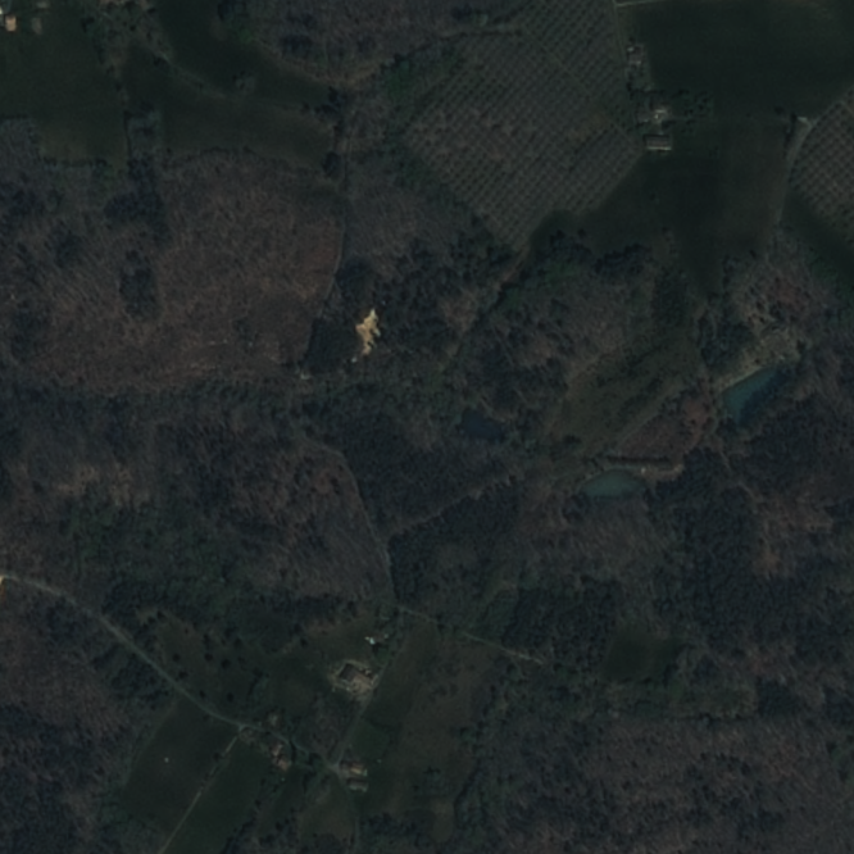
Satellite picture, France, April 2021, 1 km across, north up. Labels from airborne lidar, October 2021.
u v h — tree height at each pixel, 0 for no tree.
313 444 25
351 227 17
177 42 0
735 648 25
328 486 8
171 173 16
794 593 15
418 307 13
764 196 0
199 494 13
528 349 17
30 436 19
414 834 15
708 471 26
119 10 13
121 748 15
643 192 0
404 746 0
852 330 20
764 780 14
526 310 13
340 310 12
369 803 0
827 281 18
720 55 0
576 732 14
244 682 0
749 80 0
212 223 13
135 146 11
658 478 0
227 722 0
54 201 17
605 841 12
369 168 14
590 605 12
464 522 22
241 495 7
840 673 12
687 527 16
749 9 0
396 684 0
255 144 0
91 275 15
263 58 0
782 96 0
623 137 8
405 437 19
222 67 0
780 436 11
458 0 11
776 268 16
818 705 14
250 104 0
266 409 12
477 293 20
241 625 7
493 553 18
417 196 15
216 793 0
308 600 8
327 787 12
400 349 16
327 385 9
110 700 7
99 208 16
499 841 17
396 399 16
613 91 9
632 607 18
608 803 10
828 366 16
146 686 12
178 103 0
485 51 9
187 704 0
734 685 18
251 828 9
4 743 13
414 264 9
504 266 17
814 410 13
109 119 0
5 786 24
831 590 17
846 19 0
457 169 7
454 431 13
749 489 13
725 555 27
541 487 22
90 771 17
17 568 14
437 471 21
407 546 22
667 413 7
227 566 12
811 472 12
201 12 0
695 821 16
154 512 18
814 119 0
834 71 0
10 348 9
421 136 10
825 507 13
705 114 6
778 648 23
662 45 0
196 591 20
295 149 0
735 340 26
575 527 23
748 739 13
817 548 16
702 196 0
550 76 7
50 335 8
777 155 0
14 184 14
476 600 13
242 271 17
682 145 0
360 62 16
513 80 9
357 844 13
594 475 7
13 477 11
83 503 10
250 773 0
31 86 0
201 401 16
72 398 8
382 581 13
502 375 17
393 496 16
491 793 25
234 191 7
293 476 9
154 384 10
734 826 14
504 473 21
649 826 15
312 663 0
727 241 0
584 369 15
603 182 10
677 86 0
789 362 17
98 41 14
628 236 0
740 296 14
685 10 0
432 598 17
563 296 14
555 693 12
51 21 0
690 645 10
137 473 18
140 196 13
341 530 16
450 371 15
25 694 6
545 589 16
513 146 10
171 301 13
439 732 0
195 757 0
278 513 8
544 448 7
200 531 11
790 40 0
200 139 0
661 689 10
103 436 12
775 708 17
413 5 10
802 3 0
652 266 7
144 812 0
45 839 25
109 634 12
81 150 0
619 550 20
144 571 21
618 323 11
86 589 7
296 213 7
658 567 18
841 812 9
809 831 10
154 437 13
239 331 10
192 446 6
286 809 0
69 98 0
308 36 9
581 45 9
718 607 27
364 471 19
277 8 14
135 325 25
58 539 8
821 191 8
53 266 15
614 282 18
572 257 16
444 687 0
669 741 9
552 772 13
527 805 10
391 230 14
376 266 12
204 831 0
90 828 15
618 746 8
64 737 16
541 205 9
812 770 12
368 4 8
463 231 12
